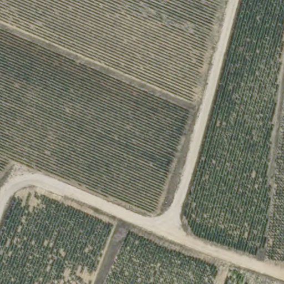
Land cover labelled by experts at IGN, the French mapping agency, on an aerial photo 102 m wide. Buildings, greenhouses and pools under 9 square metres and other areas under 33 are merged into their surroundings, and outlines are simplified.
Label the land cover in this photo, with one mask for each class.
<instances>
[{"label":"vineyard","instance_id":"1","mask_svg":"<svg viewBox=\"0 0 284 284\"><path fill-rule=\"evenodd\" d=\"M229 0H0V190L12 172L13 166L9 162L12 160L35 172L78 187L81 191L103 197L106 202L135 214L161 216L171 206L177 187L181 183L191 136L204 99ZM181 226L187 235L226 246L229 250L253 255L257 261L263 262L270 258L272 261L284 262V0H240L201 148L182 205ZM0 284H284V280L166 239L73 197L62 195L59 201L50 199L39 194L35 185L22 186L13 192L0 221Z\"/></svg>","mask_w":284,"mask_h":284},{"label":"pervious surface","instance_id":"2","mask_svg":"<svg viewBox=\"0 0 284 284\"><path fill-rule=\"evenodd\" d=\"M240 0H229L204 99L191 136L181 183L177 187L171 206L161 216L135 214L106 202L103 197L81 191L78 187L35 172L12 160L9 162L13 166L12 172L0 190V221L13 192L22 186L35 185L39 194L50 199L59 201L62 195L73 197L166 239L284 280V262L272 261L270 258L263 262L257 261L253 255L229 250L226 246L187 235L181 226L182 205L201 148Z\"/></svg>","mask_w":284,"mask_h":284}]
</instances>
